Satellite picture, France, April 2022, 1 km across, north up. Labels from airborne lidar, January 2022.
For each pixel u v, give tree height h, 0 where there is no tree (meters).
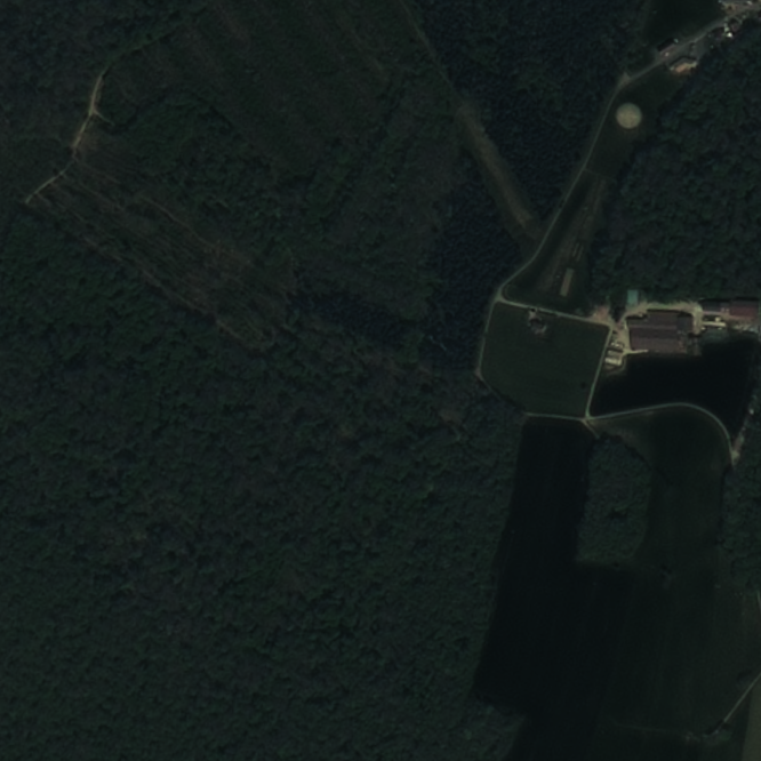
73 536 19
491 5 21
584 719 0
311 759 28
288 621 26
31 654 26
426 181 30
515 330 0
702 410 0
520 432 18
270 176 24
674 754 0
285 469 23
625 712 0
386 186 25
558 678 0
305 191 24
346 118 14
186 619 29
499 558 0
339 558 25
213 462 23
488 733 23
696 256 26
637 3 25
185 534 32
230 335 26
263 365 21
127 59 13
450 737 19
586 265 0
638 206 22
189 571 23
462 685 21
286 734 25
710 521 0
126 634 29
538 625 0
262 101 8
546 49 26
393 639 24
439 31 23
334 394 23
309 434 20
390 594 18
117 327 23
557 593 0
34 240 23
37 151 14
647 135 0
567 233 0
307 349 27
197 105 17
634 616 0
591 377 0
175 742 25
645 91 0
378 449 21
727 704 0
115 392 24
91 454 19
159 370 23
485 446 21
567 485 0
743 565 22
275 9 13
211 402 24
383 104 12
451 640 21
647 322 0
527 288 0
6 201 19
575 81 30
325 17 13
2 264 16
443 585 18
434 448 24
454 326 24
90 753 21
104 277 21
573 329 0
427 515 22
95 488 20
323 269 24
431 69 16
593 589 0
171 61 14
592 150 0
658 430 0
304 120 14
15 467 23
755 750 0
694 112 18
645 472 17
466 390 27
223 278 22
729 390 0
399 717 21
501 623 0
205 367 22
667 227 21
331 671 28
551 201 22
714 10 0
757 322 0
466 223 22
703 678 0
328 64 7
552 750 0
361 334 19
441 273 19
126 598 24
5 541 27
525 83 18
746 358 0
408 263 24
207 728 25
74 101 28
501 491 20
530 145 24
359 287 26
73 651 25
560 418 0
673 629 0
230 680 25
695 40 0
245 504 25
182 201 20
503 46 23
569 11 30
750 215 23
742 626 0
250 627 21
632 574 0
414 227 28
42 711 27
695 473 0
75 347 22
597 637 0
